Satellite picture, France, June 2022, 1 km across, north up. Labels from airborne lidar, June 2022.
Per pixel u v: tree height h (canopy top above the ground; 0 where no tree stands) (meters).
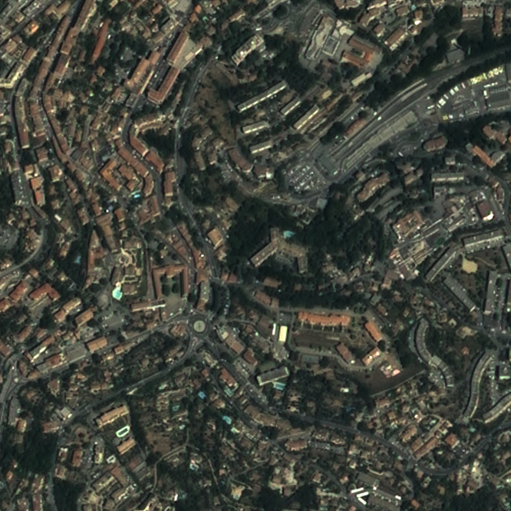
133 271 0
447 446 8
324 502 0
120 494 0
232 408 7
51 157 18
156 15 6
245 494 9
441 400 6
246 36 19
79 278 8
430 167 9
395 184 17
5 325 8
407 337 7
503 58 12
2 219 11
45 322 15
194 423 7
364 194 0
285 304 13
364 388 12
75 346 0
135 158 0
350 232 20
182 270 0
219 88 8
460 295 0
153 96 0
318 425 11
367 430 14
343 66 10
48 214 16
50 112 0
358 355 13
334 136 20
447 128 15
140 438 15
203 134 0
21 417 10
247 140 10
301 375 10
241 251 10
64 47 0
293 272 14
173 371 15
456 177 0
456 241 15
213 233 0
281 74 12
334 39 0
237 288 12
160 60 0
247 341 5
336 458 9
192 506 8
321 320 0
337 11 15
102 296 0
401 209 15
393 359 0
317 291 10
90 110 7
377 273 6
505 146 16
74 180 10
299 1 16
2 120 0
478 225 6
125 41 15
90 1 0
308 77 12
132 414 8
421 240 0
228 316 7
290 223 16
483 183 9
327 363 11
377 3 0
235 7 9
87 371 10
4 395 0
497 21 0
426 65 24
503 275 0
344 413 7
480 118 13
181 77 20
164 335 10
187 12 0
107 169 0
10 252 9
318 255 7
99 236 16
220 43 9
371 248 10
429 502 8
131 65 18
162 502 10
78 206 10
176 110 8
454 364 8
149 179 0
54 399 8
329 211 19
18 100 0
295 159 10
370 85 10
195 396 7
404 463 11
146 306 0
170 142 19
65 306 0
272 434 13
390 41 0
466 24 0
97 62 13
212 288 8
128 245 0
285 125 8
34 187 0
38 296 0
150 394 7
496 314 7
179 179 8
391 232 7
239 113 9
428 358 0
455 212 0
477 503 7
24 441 9
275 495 11
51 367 0
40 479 0
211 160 0
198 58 16
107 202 7
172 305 0
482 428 7
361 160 0
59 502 12
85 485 9
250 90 14
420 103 0
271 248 0
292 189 15
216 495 5
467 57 14
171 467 7
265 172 0
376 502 0
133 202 12
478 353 6
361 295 10
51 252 14
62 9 0
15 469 6
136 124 0
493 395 0
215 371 23
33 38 10
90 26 7
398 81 21
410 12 6
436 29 12
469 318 9
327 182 0
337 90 6
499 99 0
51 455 15
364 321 10
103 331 6
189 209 0
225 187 12
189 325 0
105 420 0
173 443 7
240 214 12
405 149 0
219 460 6
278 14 20
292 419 12
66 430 13
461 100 0
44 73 0
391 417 0
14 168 0
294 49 17
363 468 9
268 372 0
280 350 0
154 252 6
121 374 6
